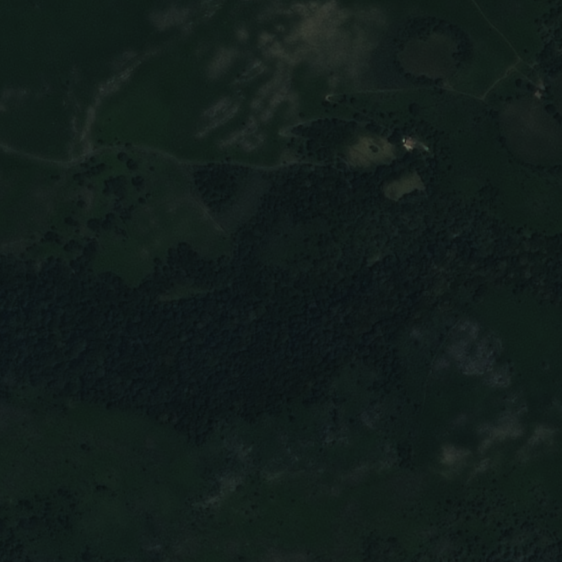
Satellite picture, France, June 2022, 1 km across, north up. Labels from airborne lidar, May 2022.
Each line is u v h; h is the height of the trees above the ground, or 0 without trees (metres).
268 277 23
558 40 8
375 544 13
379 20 0
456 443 0
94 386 23
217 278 18
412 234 19
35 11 0
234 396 24
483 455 0
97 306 12
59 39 0
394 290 22
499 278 17
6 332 21
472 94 0
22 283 27
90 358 22
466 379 0
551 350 0
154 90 0
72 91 0
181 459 0
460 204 11
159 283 19
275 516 0
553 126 0
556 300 14
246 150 0
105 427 0
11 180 0
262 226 17
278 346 16
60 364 24
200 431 16
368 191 6
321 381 8
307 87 0
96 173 11
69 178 0
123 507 0
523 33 0
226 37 0
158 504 0
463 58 11
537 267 18
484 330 0
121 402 16
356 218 6
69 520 9
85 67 0
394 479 0
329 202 12
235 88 0
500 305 0
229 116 0
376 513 0
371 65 0
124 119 0
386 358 12
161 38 0
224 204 11
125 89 0
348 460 0
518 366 0
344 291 12
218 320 19
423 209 14
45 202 0
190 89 0
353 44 0
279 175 8
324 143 16
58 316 15
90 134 0
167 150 0
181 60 0
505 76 0
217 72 0
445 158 7
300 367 18
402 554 7
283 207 18
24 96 0
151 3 0
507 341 0
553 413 0
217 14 0
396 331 9
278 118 0
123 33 0
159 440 0
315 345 21
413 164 15
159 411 14
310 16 0
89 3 0
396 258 13
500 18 0
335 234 9
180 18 0
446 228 11
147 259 0
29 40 0
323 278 21
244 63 0
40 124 0
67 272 19
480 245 26
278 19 0
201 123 0
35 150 0
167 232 0
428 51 0
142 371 22
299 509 0
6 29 0
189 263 20
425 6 0
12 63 0
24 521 13
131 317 18
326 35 0
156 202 0
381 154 0
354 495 0
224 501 0
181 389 22
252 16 0
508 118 0
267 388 15
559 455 0
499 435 0
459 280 15
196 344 20
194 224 0
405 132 14
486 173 0
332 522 0
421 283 24
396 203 8
